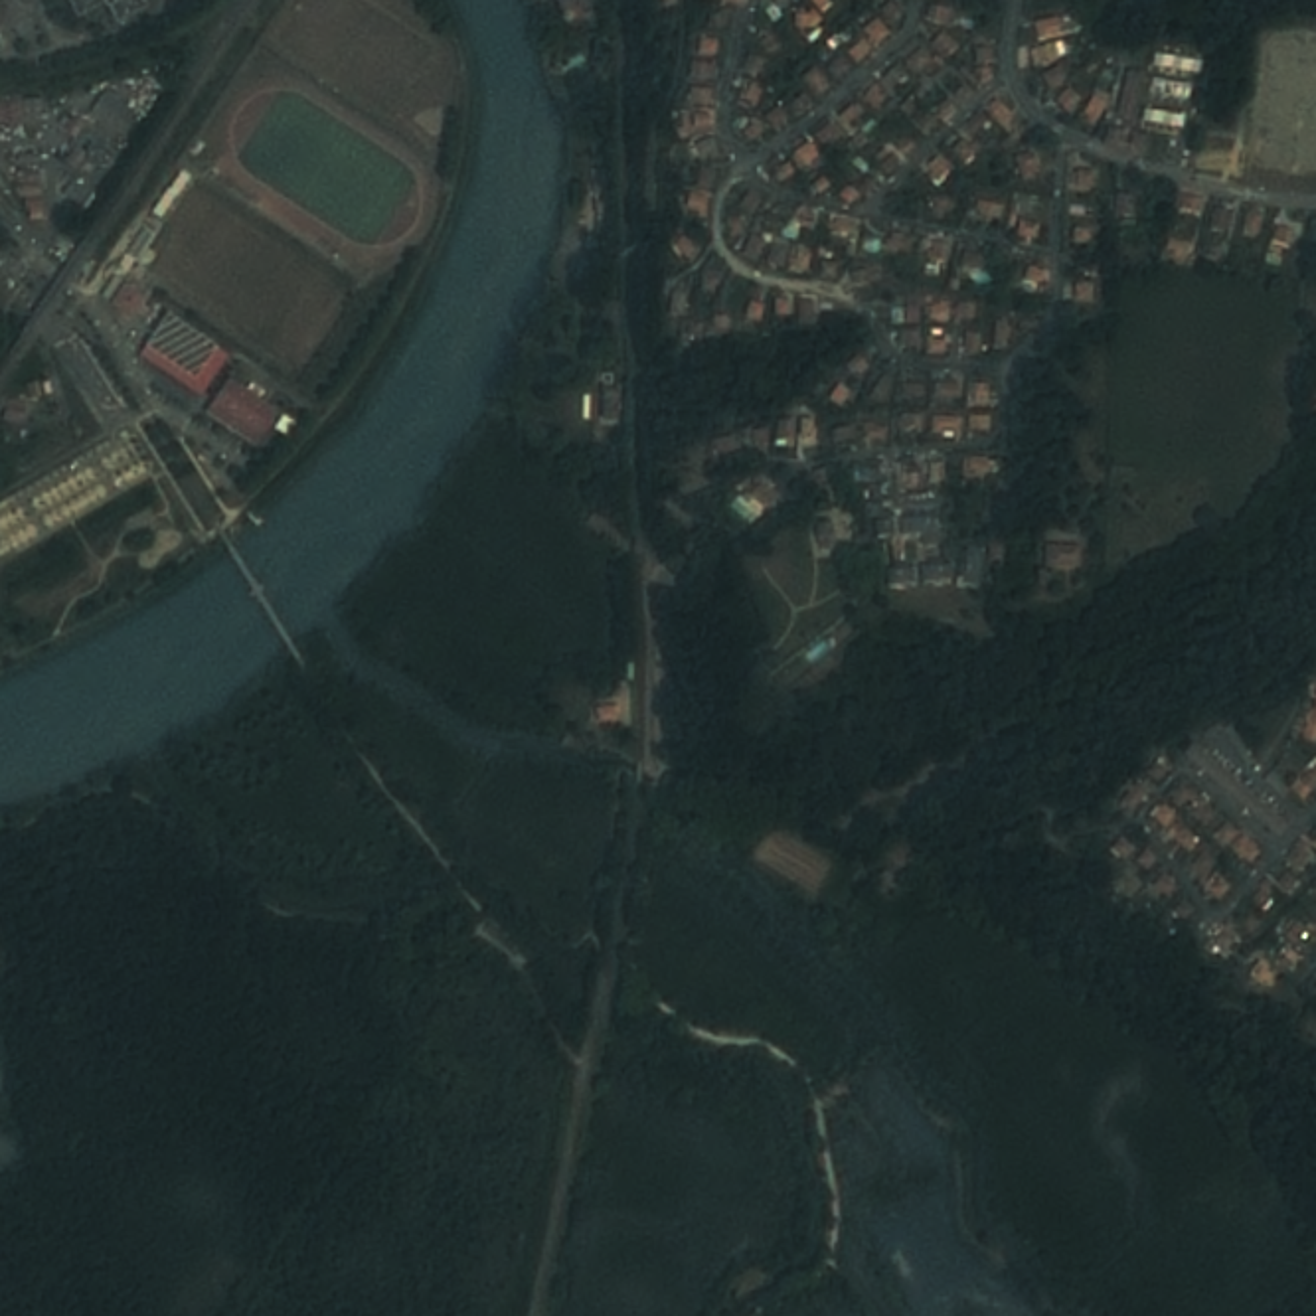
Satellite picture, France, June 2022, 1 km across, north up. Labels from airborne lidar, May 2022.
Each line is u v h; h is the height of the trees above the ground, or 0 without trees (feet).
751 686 56
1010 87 0
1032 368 81
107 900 63
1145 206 31
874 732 96
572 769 50
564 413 0
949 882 27
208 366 0
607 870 50
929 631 20
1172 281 0
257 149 0
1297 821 0
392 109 0
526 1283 0
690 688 98
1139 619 60
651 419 70
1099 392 0
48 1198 42
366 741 31
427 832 23
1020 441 66
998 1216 31
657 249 61
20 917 62
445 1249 24
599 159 61
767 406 74
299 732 26
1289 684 51
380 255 0
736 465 44
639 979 50
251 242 0
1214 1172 22
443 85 0
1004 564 30
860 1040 24
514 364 103
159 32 34
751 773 78
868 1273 19
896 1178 21
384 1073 46
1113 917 53
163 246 0
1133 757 56
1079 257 20
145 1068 53
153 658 0
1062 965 54
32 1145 45
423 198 0
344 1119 62
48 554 21
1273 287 38
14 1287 45
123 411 0
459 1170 22
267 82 0
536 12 45
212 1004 56
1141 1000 69
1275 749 0
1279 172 0
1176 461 0
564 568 0
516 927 39
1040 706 94
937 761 57
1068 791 51
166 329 0
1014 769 70
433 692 28
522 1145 27
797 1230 30
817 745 81
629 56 37
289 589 0
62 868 40
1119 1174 0
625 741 34
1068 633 57
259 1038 46
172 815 43
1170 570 60
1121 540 0
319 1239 41
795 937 45
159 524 0
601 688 37
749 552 58
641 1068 19
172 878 73
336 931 49
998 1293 0
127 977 64
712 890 29
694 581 52
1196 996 36
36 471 0
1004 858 79
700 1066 43
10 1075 30
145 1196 26
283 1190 52
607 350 85
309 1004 29
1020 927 62
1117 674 77
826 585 0
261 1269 33
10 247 26
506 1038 21
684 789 94
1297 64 0
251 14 0
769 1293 39
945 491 20
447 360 0
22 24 0
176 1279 20
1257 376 0
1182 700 61
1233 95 21
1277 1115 63
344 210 0
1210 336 0
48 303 0
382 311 33
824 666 0
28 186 0
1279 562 57
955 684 78
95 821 43
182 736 47
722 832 90
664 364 75
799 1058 22
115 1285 21
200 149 0
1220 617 76
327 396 57
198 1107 49
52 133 0
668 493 53
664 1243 19
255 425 0
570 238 0
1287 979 34
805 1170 51
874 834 60
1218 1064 77
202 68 0
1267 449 0
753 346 52
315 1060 32
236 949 45
